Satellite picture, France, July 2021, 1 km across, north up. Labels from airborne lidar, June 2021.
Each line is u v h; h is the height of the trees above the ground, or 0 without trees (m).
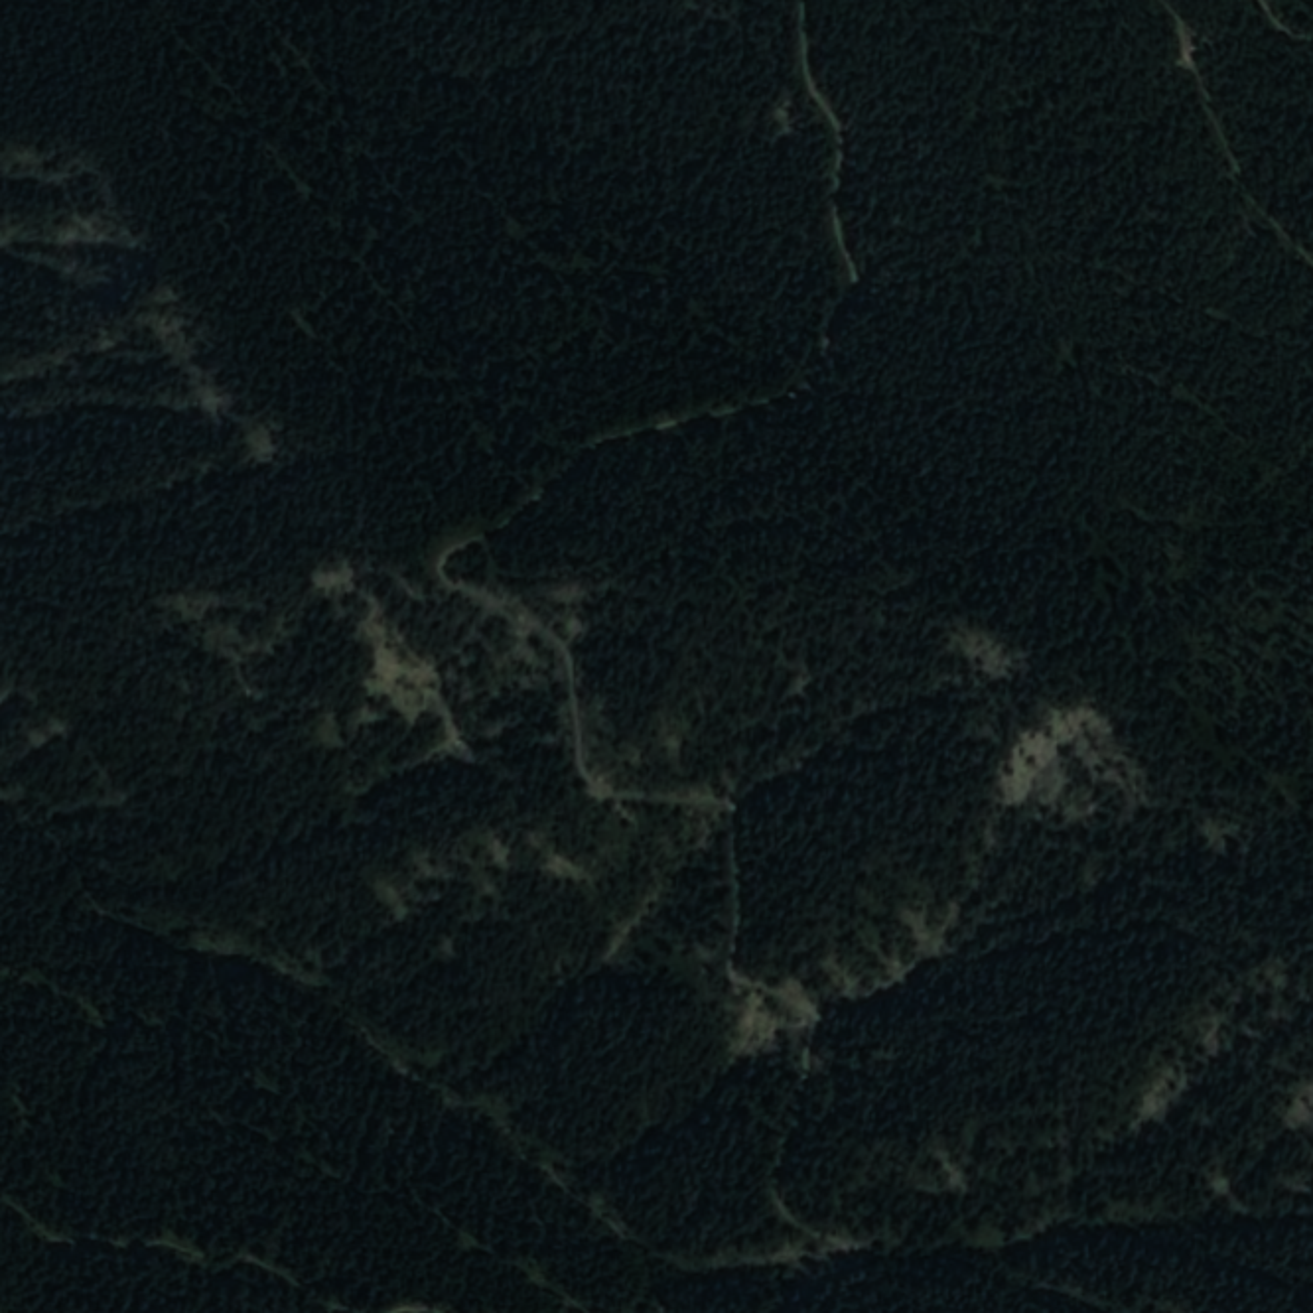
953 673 10
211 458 14
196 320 9
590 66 22
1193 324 25
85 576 24
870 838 21
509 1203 27
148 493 18
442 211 27
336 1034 20
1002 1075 26
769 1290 13
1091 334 26
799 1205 19
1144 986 29
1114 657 25
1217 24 19
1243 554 13
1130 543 27
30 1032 30
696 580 21
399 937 14
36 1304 32
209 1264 11
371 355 19
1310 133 22
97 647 19
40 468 17
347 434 25
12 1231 26
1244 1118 21
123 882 7
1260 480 27
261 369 21
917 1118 8
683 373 13
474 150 27
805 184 19
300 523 15
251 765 18
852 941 17
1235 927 18
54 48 21
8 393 7
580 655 12
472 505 19
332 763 14
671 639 17
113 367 7
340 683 10
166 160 29
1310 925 16
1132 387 15
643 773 14
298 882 21
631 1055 21
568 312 30
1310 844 19
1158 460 23
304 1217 29
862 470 16
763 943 17
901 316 25
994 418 20
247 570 19
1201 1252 17
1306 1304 33
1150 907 23
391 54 26
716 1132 29
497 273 36
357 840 13
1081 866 19
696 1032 7
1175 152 25
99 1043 37
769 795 23
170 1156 30
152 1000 35
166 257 14
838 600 12
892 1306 35
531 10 18
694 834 6
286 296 25
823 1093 12
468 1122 10
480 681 15
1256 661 32
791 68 15
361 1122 31
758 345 11
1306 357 27
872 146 16
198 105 8
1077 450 22
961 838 15
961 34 20
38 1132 26
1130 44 23
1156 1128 9
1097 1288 20
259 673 13
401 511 23
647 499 23
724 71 21
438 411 13
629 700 17
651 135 15
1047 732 6
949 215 13
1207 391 27
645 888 7
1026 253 17
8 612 15
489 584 9
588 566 13
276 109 14
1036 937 26
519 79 21
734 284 22
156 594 8
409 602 14
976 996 20
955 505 25
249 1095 9
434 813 22
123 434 14
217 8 22
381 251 8
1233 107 26
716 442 33
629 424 11
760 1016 0
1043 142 12
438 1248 19
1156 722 18
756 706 19
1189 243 21
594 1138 21
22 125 19
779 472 14
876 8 21
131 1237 21
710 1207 24
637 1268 11
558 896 16
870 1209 8
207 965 8
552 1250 29
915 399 23
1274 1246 28
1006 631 15
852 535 22
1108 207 23
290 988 12
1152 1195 21
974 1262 16
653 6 16
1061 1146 9
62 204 11
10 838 34
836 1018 18
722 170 24
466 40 22
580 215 28
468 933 16
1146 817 16
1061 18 28
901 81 15
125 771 11
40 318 11
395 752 7
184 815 26
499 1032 6
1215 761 21
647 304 11
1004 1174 10
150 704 15
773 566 24
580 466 6
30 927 39
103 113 24
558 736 18
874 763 18
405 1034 21
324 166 33
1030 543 23
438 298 31
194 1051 24
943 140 15
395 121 30
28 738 6
